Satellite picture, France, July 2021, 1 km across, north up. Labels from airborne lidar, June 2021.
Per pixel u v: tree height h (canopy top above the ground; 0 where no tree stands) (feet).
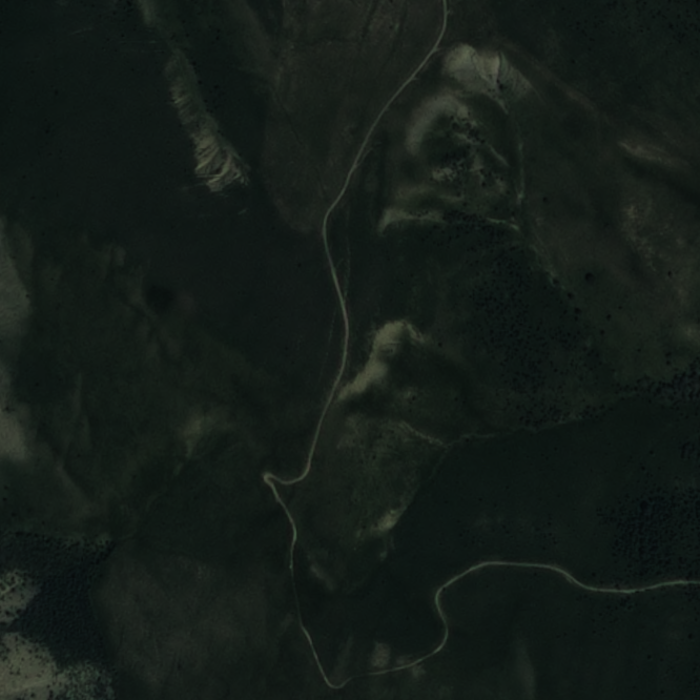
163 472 0
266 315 0
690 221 0
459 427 0
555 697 0
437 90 0
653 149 0
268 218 0
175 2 0
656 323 0
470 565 0
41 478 0
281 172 0
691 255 0
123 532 0
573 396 0
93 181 0
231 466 0
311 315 0
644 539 30
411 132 0
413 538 0
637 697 0
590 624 0
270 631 0
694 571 26
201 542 0
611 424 0
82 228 0
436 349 0
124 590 0
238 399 0
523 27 0
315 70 0
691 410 0
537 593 0
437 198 0
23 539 24
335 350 0
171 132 0
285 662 0
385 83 0
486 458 0
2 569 21
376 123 0
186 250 0
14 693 0
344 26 0
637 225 0
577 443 0
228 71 0
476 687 0
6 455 0
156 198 0
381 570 0
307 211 0
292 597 0
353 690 0
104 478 0
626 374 0
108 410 0
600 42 0
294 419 0
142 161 0
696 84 0
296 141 0
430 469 0
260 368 0
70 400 0
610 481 0
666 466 0
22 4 0
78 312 0
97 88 0
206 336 0
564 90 0
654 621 0
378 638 0
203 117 0
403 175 0
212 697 0
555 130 0
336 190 0
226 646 0
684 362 0
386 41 0
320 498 0
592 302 0
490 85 0
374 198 0
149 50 0
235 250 0
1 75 0
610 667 0
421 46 0
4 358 0
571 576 0
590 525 0
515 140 0
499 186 0
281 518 0
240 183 0
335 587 0
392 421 0
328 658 0
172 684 0
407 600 0
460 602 0
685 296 0
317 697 0
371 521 0
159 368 0
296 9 0
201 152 0
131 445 0
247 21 0
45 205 0
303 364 0
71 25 0
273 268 0
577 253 0
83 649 27
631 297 0
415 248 0
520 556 0
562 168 0
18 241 0
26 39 0
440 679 0
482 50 0
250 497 0
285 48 0
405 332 0
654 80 0
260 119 0
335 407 0
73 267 0
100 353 0
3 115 0
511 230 0
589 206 0
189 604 0
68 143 0
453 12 0
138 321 0
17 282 0
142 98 0
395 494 0
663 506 34
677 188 0
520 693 0
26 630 22
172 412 0
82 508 0
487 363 0
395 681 0
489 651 0
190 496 0
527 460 0
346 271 0
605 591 0
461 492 0
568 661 0
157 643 0
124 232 0
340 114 0
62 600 33
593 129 0
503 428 0
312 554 0
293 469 0
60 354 0
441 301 0
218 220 0
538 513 0
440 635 0
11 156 0
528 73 0
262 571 0
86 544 21
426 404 0
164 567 0
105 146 0
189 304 0
